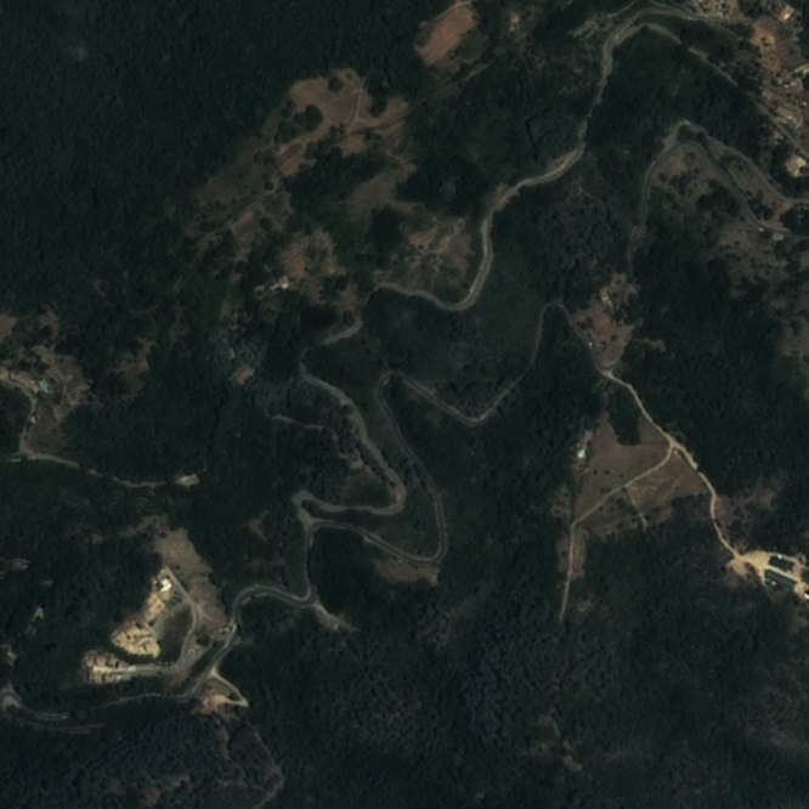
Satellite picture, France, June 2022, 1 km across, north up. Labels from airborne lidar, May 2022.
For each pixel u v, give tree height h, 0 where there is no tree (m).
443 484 6
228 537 11
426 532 16
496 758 10
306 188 14
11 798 15
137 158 15
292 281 6
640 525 6
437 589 11
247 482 12
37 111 11
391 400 7
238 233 0
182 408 8
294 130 6
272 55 10
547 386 12
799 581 0
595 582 7
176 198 9
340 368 7
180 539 0
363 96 0
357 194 0
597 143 10
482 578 12
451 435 8
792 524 7
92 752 19
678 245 11
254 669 9
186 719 7
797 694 7
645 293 12
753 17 18
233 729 6
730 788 6
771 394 12
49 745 21
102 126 11
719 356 19
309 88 0
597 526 0
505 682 22
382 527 7
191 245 10
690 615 7
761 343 10
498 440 12
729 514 0
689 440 9
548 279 9
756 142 11
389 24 12
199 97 15
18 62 10
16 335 10
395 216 12
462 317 15
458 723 18
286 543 13
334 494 22
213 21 13
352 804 15
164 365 8
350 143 0
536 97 14
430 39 0
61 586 21
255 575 6
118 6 11
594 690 8
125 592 12
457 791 9
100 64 13
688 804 8
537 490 8
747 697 9
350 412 17
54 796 12
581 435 11
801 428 7
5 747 20
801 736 7
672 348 11
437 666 11
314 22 11
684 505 7
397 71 20
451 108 12
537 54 14
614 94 16
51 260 17
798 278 7
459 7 0
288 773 16
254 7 14
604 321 0
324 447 20
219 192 0
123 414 8
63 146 12
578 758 6
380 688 13
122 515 7
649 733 15
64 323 7
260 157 10
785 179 10
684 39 15
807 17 8
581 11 7
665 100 11
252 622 7
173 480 10
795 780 16
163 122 10
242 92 15
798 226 10
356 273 7
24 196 11
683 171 7
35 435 0
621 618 7
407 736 18
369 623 11
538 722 22
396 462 26
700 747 15
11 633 17
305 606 0
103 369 11
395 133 0
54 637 7
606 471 0
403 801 18
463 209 15
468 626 8
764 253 6
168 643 0
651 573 8
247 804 23
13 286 8
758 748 8
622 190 11
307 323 16
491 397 25
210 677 0
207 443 11
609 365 0
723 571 7
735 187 7
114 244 12
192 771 22
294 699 11
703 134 7
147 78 10
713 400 14
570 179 9
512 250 8
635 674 11
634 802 9
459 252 0
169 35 8
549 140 24
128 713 19
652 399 11
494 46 7
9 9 12
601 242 21
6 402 8
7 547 12
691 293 14
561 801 8
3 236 15
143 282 12
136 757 20
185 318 8
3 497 6
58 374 0
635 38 7
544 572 8
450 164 21
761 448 10
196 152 13
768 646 7
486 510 9
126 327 9
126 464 11
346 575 10
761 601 5
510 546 12
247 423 14
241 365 19
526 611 22
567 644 23
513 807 13
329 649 14
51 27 12
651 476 0
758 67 10
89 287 9
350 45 18
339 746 8
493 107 12
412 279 0
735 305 9
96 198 12
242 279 11
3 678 17
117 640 0
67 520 13
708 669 13
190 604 0
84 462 8
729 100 7
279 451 13
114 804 16
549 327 13
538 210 8
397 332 8
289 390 13
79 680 0
